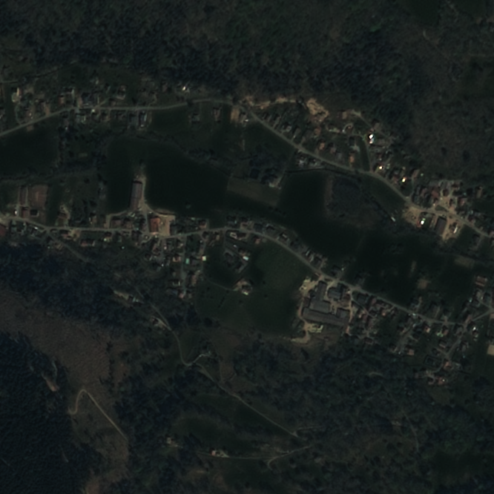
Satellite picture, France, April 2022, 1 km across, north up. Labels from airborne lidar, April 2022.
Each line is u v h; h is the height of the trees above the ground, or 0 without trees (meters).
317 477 0
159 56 33
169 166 0
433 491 20
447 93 17
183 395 8
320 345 0
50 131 0
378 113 11
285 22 25
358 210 17
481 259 14
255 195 0
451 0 11
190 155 10
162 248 0
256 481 0
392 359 17
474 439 19
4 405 15
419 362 0
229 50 23
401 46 17
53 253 0
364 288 0
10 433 16
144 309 8
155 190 0
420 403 22
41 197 0
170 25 26
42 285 19
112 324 29
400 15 22
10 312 0
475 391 7
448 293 0
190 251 8
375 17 29
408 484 17
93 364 0
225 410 0
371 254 0
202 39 23
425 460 17
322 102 0
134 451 26
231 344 0
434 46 14
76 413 0
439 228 0
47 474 23
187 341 0
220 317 0
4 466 16
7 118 7
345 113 0
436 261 0
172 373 0
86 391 0
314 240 0
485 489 14
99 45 15
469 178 17
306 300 0
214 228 0
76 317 30
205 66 31
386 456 0
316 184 0
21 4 31
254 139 0
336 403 11
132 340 8
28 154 0
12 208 0
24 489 22
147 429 23
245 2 20
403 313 0
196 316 21
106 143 19
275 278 0
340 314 0
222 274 0
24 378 24
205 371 0
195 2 21
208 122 0
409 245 0
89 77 7
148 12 30
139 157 0
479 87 0
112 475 0
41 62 28
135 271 10
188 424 0
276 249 0
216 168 0
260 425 0
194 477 0
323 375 18
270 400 23
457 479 0
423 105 15
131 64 26
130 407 30
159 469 17
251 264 0
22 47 19
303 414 23
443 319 0
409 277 0
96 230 0
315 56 25
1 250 5
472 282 0
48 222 0
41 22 27
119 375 0
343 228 0
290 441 0
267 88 31
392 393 12
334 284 0
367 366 13
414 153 16
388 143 0
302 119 0
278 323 0
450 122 13
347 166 0
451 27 15
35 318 0
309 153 0
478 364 0
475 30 10
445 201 0
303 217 0
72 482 23
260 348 12
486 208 0
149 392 25
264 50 23
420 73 19
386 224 20
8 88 0
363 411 22
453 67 21
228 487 0
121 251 9
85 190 0
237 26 22
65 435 29
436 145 13
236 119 0
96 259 20
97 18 27
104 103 0
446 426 17
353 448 25
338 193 21
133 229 0
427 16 0
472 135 19
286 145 0
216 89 27
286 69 27
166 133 0
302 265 0
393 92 20
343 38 17
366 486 19
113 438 0
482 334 0
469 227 0
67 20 27
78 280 8
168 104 0
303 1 24
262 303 0
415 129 18
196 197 0
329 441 24
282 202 0
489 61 13
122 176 0
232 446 0
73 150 0
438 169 0
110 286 6
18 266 27
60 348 0
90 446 0
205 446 8
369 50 24
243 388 0
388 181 0
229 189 0
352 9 24
